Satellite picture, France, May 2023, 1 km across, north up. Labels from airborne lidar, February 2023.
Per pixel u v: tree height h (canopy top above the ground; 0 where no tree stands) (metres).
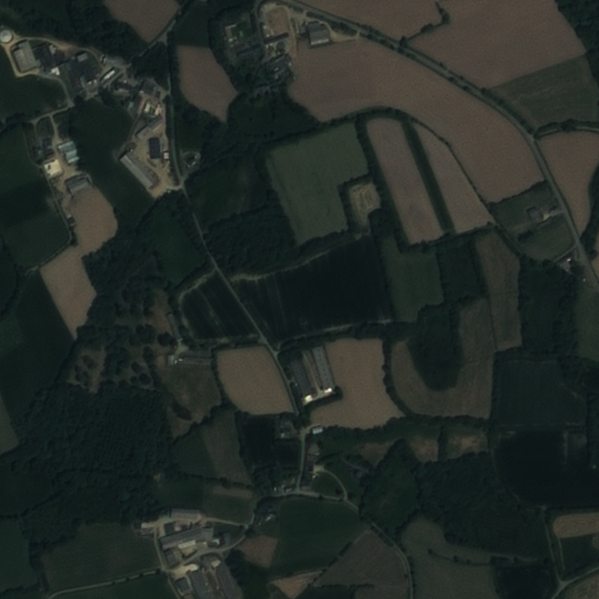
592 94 0
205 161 14
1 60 0
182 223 12
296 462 0
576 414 0
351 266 0
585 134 0
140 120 0
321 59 0
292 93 0
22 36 0
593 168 0
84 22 16
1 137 7
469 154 0
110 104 22
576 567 0
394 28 0
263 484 6
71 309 0
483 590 0
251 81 10
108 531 0
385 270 8
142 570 0
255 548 0
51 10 0
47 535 10
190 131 0
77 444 13
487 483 15
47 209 0
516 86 0
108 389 17
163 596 0
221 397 8
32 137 0
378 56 0
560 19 0
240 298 6
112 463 9
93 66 0
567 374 10
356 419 0
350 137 0
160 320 0
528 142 0
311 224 0
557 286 0
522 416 0
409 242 0
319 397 0
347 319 0
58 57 0
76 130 7
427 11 0
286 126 0
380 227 14
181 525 0
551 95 0
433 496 20
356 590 8
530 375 0
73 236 7
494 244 0
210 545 0
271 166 0
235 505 0
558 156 0
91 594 0
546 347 0
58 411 15
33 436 14
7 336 0
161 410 10
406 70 0
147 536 0
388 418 0
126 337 14
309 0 0
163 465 8
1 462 13
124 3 0
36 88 0
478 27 0
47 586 8
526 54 0
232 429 0
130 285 14
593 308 0
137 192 0
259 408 0
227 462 0
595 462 8
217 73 0
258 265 17
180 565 0
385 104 0
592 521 0
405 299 0
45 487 0
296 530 0
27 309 0
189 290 0
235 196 0
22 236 0
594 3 14
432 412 0
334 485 0
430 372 0
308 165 0
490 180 0
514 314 0
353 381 0
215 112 0
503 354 7
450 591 0
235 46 0
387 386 12
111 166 0
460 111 0
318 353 0
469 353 0
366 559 0
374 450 0
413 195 0
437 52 0
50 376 0
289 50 0
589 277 0
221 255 12
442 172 0
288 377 8
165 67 7
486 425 7
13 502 0
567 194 0
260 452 0
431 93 0
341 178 0
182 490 0
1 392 0
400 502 0
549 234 0
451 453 0
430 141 0
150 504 18
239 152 14
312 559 0
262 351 0
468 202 0
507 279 0
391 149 0
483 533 0
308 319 0
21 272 14
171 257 0
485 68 0
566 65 0
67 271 0
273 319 0
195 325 0
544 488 0
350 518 0
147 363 15
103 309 18
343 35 0
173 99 10
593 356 0
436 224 0
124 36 20
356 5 0
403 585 0
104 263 13
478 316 0
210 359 6
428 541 0
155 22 0
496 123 0
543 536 0
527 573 0
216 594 0
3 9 0
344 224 0
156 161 0
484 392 0
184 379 0
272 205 6
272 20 0
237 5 9
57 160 0
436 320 0
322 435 10
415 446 0
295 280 0
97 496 12
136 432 11
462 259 0
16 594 8
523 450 0
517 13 0
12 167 0
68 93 0
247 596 0
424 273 0
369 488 20
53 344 0
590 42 6
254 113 0
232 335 0
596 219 7
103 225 0
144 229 15
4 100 0
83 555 0
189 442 0
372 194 0
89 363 15
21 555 0
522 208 0
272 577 0
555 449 0
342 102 0
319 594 0
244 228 20
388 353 11
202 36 0
